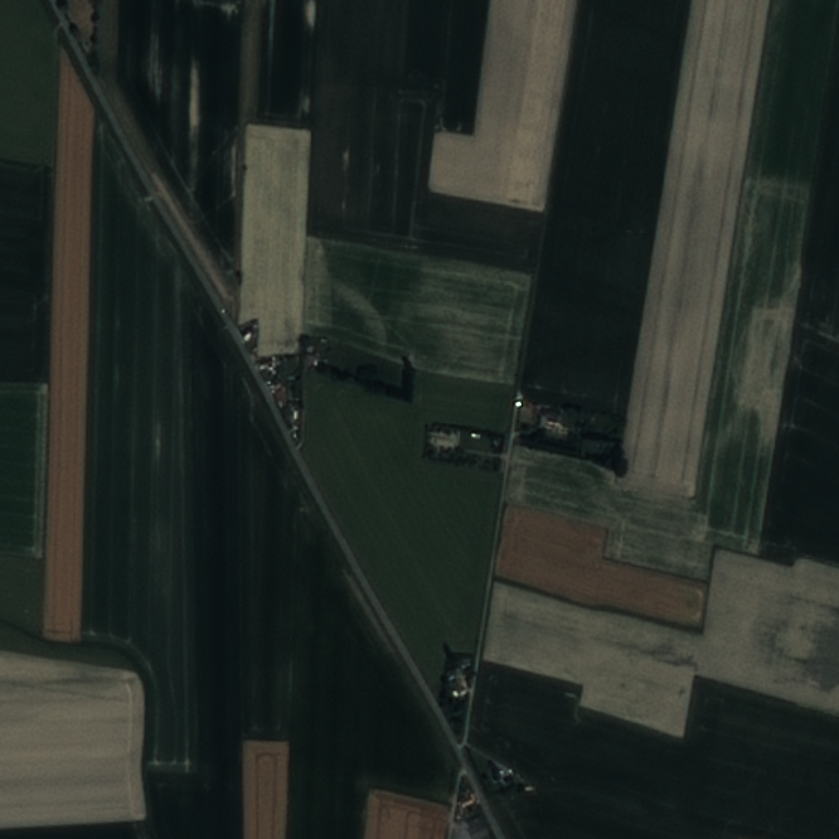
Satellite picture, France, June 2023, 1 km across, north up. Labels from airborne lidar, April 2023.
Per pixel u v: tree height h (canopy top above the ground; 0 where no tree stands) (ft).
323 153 0
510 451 0
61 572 0
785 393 0
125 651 0
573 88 0
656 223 0
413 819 0
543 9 0
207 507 0
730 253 0
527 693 0
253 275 0
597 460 48
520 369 0
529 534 0
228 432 0
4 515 0
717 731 0
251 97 0
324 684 0
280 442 0
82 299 0
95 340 0
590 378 0
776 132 0
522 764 0
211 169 0
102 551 0
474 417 0
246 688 0
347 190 0
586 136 0
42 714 0
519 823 0
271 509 0
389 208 0
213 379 0
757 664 0
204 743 0
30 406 0
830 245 0
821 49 0
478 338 0
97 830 0
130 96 0
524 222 0
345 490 0
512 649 0
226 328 0
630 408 0
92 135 0
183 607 0
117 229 0
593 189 0
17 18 0
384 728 0
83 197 0
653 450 0
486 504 0
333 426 0
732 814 0
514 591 0
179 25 0
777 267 0
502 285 0
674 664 0
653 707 0
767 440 0
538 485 0
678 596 0
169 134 0
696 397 0
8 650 0
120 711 0
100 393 0
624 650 0
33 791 0
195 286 0
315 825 0
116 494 0
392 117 0
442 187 0
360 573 0
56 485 0
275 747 0
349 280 0
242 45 0
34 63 0
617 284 0
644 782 0
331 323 0
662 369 0
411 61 0
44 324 0
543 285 0
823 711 0
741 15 0
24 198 0
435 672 0
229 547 0
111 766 0
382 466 0
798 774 0
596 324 0
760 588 0
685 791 0
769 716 0
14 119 0
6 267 0
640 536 0
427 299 0
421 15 0
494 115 0
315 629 0
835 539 0
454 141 0
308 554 0
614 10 0
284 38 0
